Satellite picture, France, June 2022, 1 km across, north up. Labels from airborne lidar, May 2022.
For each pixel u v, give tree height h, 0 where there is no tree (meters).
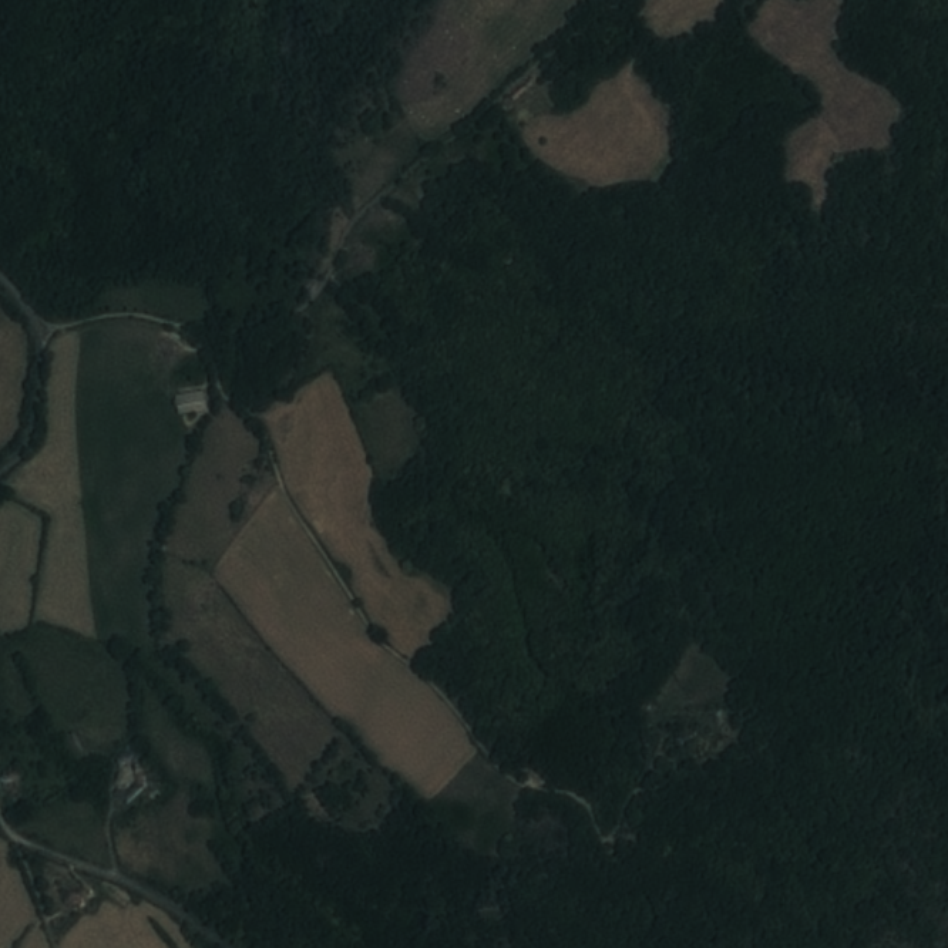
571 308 14
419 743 0
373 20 8
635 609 20
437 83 8
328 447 0
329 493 0
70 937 0
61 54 19
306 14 18
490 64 0
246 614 0
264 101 23
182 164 21
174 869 0
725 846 13
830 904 13
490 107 8
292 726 0
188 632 0
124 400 0
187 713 10
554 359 15
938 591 27
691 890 15
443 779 0
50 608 0
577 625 16
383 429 0
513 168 16
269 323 16
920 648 18
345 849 12
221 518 0
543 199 17
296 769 0
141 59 13
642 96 0
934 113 12
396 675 0
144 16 22
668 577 13
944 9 12
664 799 13
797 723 25
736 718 14
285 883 10
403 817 13
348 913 18
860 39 17
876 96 0
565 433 10
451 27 0
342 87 10
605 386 13
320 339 0
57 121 16
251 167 23
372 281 21
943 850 16
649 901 15
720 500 21
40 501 0
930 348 11
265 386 6
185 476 11
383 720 0
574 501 14
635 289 17
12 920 0
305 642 0
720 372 11
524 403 10
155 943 0
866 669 22
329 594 0
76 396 0
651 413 16
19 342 0
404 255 12
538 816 7
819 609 24
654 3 0
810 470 23
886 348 16
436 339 14
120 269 12
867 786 13
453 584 10
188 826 0
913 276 15
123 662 14
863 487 21
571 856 9
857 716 21
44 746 8
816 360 15
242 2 21
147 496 0
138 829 0
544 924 13
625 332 13
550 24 0
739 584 19
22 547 0
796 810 19
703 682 0
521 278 13
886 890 20
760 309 15
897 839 13
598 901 15
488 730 10
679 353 25
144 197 17
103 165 11
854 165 17
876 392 25
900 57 18
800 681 22
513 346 17
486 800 0
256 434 15
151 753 14
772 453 23
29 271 21
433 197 17
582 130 0
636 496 20
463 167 17
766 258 23
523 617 8
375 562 0
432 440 14
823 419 26
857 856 13
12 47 23
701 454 17
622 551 19
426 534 11
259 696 0
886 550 25
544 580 10
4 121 24
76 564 0
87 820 0
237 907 20
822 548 23
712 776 14
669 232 18
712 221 22
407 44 8
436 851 14
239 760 0
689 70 19
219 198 24
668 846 9
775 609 17
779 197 22
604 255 19
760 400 23
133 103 15
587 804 7
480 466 15
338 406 0
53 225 12
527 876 8
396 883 13
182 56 19
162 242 16
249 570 0
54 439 0
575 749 11
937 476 25
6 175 12
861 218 16
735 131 17
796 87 14
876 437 18
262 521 0
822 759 15
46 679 0
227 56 19
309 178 18
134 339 0
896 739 15
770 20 0
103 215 13
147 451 0
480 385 14
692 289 13
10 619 0
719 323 14
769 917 11
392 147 0
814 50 0
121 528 0
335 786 14
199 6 20
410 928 17
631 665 15
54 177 11
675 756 11
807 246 15
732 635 15
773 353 19
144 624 0
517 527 12
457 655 14
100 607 0
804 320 13
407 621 0
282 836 9
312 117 11
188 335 10
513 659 15
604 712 12
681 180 24
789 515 21
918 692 27
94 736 0
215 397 10
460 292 16
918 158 23
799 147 0
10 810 15
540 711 14
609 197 11
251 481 8
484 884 13
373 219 0
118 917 0
